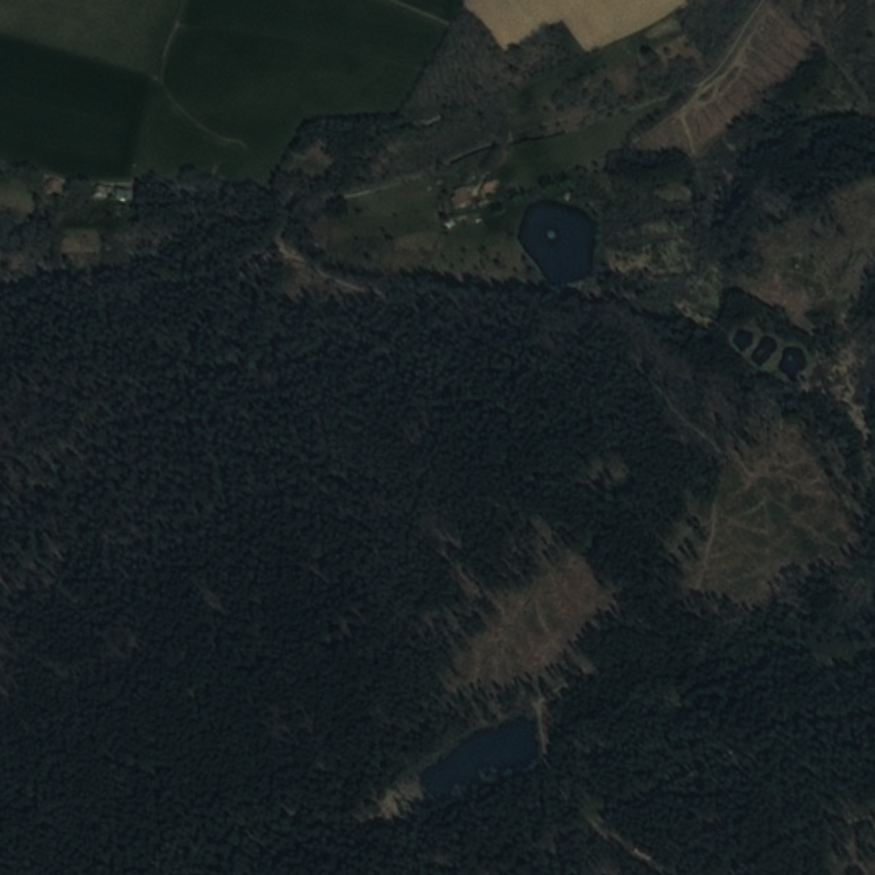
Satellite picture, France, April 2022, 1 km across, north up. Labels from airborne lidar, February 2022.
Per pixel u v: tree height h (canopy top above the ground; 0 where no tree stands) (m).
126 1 0
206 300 27
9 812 22
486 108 15
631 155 16
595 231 0
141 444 31
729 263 14
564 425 27
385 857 26
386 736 24
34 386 24
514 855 27
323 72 0
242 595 26
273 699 22
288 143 0
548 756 0
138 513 22
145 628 17
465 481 26
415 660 26
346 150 20
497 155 15
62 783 20
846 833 30
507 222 0
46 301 27
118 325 27
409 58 0
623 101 10
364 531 28
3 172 13
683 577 27
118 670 23
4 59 0
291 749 19
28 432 25
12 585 22
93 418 24
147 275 23
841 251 0
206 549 26
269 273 28
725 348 20
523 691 24
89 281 20
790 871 26
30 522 22
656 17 0
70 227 0
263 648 24
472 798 9
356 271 6
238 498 34
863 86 8
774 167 19
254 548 27
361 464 24
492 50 10
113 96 0
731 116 0
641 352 27
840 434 15
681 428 22
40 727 21
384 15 0
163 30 0
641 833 26
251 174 0
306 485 28
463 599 22
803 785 24
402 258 0
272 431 26
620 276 8
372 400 28
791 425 24
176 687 27
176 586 22
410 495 29
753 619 21
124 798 28
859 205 0
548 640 0
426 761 16
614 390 29
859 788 30
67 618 24
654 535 25
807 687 29
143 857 28
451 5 0
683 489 27
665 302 5
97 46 0
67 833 25
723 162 5
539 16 0
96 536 28
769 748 31
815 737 31
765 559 0
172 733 27
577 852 30
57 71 0
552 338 33
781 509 0
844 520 29
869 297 18
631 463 28
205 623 24
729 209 11
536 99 0
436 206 0
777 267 0
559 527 29
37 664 18
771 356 0
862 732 33
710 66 7
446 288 29
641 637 27
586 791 27
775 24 0
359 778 27
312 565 21
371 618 25
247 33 0
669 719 21
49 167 0
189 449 29
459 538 22
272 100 0
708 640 20
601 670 25
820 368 0
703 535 30
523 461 30
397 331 21
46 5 0
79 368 27
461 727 21
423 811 26
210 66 0
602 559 25
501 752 0
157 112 0
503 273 0
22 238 8
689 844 31
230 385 31
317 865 27
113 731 24
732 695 23
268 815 28
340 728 24
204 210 32
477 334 31
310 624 23
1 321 29
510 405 32
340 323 29
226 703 27
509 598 26
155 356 26
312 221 19
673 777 25
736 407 29
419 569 30
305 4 0
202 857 7
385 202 0
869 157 17
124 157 0
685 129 0
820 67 17
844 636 16
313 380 29
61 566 12
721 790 27
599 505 26
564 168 0
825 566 28
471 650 24
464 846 14
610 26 0
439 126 10
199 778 26
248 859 28
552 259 0
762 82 0
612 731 27
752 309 14
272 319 29
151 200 26
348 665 26
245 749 24
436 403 31
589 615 25
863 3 7
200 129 0
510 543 30
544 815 29
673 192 0
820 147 18
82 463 23
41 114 0
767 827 27
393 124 20
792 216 13
